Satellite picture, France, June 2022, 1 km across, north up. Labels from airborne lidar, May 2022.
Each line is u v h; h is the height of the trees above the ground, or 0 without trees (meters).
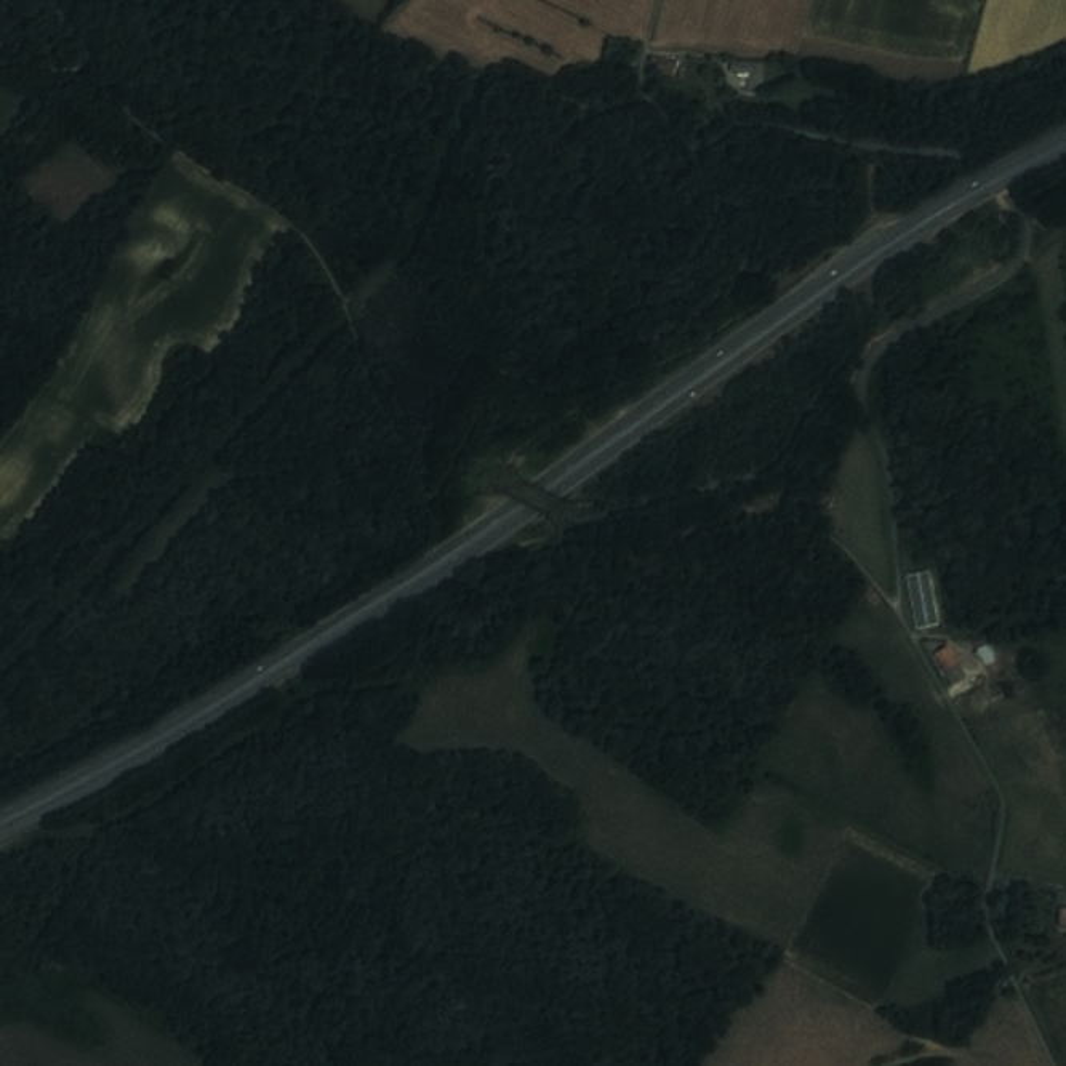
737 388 8
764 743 14
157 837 13
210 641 13
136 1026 0
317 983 13
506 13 0
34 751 8
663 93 16
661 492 15
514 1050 15
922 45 0
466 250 13
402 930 18
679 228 26
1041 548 27
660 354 8
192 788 12
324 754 15
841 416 20
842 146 6
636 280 29
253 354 18
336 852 27
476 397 12
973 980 14
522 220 24
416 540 16
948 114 20
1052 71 19
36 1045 0
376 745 18
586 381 17
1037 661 20
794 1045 0
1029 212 16
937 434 25
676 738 17
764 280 19
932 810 0
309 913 11
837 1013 0
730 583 13
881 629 0
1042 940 12
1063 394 0
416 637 15
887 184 16
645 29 0
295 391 16
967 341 6
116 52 19
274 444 16
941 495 20
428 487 14
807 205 16
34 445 0
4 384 13
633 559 15
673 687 8
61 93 17
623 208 24
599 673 18
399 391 7
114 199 13
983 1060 0
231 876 20
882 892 0
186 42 28
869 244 0
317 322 13
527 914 15
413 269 10
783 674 12
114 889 10
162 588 8
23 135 20
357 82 27
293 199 13
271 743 9
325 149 28
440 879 19
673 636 11
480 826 16
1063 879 0
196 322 0
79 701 13
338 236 6
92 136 16
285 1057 16
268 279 15
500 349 13
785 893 0
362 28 21
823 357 14
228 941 15
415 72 24
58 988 0
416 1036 20
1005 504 21
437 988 19
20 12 22
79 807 14
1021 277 8
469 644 18
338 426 12
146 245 0
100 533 7
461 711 0
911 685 0
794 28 0
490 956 16
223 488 8
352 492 11
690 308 19
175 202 0
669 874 0
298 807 6
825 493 12
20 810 0
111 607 16
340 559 24
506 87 14
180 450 11
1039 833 0
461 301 13
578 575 22
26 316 11
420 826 22
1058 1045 0
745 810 0
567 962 14
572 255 26
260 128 11
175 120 18
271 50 25
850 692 15
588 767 0
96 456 21
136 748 0
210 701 0
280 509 15
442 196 14
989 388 0
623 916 25
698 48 0
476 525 0
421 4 0
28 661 14
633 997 14
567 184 29
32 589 11
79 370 0
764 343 0
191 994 12
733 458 10
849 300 14
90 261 11
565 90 7
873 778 0
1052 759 0
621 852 0
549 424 13
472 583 11
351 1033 21
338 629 0
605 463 0
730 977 22
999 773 0
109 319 0
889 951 0
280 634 6
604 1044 20
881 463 0
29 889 9
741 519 13
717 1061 0
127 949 10
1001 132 19
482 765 17
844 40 0
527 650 0
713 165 24
